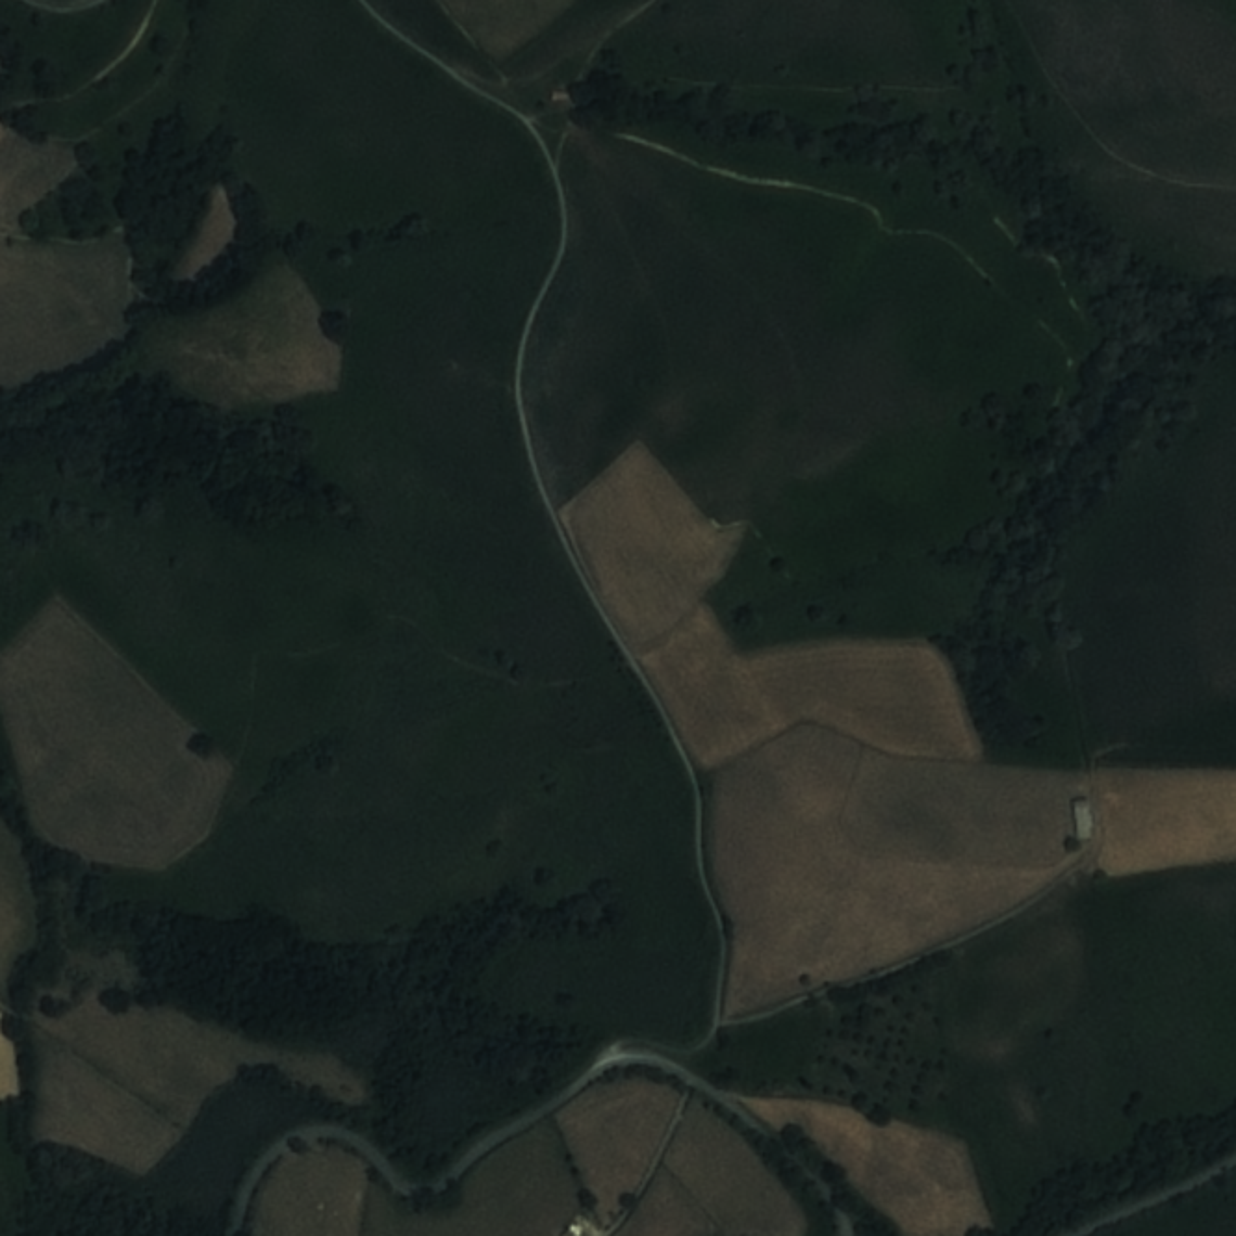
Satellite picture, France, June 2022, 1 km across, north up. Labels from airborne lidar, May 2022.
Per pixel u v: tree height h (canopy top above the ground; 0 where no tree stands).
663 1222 0
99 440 24
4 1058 0
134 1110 0
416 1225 0
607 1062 0
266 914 6
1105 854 0
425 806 0
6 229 0
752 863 0
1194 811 0
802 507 0
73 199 18
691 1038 0
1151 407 11
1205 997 0
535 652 0
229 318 0
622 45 0
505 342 0
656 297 0
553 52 0
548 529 0
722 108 16
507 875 0
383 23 0
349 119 0
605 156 0
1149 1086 0
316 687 0
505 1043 14
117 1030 0
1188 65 0
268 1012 14
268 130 0
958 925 0
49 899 9
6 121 9
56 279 0
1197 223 0
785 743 0
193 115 0
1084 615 0
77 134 0
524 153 0
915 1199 0
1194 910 0
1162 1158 11
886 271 0
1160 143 0
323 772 8
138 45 0
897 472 0
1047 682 0
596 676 0
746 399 0
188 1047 0
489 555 0
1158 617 0
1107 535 0
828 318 0
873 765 0
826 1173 11
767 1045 0
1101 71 0
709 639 0
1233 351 7
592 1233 0
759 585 0
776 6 0
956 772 0
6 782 24
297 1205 0
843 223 0
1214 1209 0
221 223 0
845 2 0
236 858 0
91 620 0
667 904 0
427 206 0
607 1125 0
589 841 0
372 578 0
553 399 0
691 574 0
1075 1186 10
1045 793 0
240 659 0
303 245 11
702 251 0
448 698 0
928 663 0
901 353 0
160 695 0
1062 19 0
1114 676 0
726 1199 0
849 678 0
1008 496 9
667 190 0
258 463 35
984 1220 0
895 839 0
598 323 0
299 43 0
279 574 0
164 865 0
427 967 7
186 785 0
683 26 0
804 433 0
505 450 0
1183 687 0
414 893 0
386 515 0
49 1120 0
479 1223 0
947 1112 0
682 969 0
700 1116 0
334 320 18
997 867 0
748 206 0
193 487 7
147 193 18
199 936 18
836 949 0
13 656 0
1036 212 13
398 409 0
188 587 0
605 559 0
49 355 0
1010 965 0
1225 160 0
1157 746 0
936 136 12
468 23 0
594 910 17
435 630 0
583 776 0
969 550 9
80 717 0
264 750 0
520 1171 0
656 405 0
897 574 0
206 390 0
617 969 0
